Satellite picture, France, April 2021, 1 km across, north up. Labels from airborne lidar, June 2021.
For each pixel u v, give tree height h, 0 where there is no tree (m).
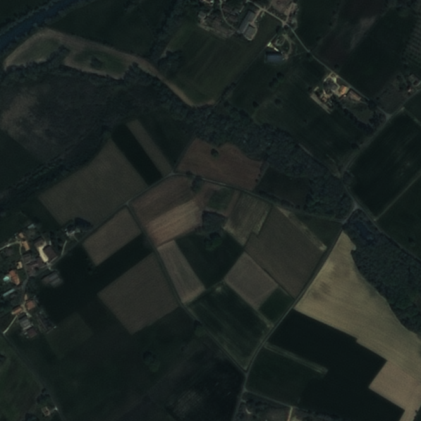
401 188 0
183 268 0
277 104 12
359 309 0
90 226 19
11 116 0
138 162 0
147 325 0
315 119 0
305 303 0
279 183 0
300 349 0
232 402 0
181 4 16
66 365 0
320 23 0
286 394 0
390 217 0
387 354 0
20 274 0
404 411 0
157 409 0
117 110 10
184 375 0
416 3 15
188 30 0
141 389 0
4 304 6
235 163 0
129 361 0
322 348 0
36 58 0
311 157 12
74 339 0
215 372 0
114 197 0
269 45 0
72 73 17
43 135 0
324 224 0
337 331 0
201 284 0
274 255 0
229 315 0
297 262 0
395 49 0
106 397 0
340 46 0
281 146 22
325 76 0
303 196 0
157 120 0
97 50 0
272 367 0
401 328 0
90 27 0
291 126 0
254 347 0
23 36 12
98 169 0
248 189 0
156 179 0
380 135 0
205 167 0
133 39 0
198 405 0
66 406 0
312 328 0
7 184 0
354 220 7
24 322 0
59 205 0
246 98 0
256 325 0
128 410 0
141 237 0
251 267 0
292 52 0
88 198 0
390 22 0
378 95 0
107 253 0
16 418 0
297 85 0
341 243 0
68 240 9
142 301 0
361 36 0
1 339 0
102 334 0
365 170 0
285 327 0
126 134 0
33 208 0
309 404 0
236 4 6
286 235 0
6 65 0
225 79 0
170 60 18
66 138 0
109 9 0
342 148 0
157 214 0
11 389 0
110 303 0
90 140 0
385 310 0
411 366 0
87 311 0
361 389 0
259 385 0
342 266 0
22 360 0
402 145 0
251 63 0
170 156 0
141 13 10
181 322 0
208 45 0
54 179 10
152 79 16
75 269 0
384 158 0
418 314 17
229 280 0
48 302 0
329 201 22
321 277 0
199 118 16
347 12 0
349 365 0
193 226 0
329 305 0
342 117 0
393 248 23
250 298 0
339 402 0
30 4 0
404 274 22
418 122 0
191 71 0
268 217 0
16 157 0
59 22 0
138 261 0
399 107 0
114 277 0
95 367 0
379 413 0
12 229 0
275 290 0
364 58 0
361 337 0
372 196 0
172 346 0
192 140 0
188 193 0
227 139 9
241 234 0
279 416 0
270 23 0
